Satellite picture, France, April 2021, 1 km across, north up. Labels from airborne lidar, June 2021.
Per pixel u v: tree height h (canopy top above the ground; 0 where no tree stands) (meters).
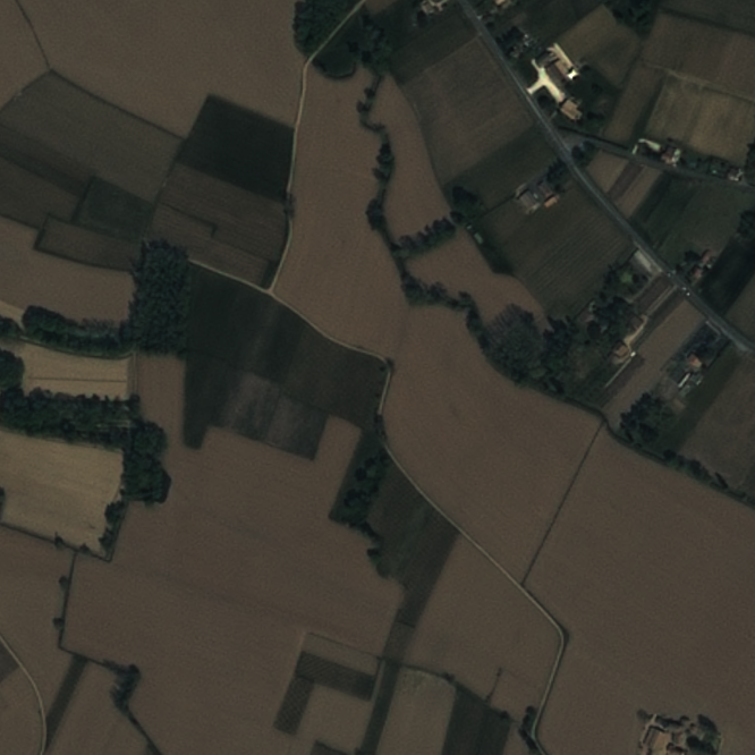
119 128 0
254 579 0
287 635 0
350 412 0
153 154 0
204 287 0
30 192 0
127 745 0
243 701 0
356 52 19
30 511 0
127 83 0
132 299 0
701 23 0
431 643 0
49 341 17
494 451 0
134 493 14
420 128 0
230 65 0
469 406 0
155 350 25
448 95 0
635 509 0
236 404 0
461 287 0
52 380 0
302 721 0
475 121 0
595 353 0
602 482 0
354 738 0
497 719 0
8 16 0
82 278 0
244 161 0
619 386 0
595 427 0
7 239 0
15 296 0
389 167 18
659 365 0
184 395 0
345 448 0
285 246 0
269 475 0
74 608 0
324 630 0
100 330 16
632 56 0
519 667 0
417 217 0
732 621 0
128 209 0
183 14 0
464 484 0
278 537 0
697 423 0
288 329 0
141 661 0
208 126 0
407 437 0
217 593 0
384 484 0
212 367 0
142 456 22
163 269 19
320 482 0
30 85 0
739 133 0
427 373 0
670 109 0
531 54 12
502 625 0
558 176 14
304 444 0
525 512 0
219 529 0
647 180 0
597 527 0
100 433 0
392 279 0
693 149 0
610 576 0
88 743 0
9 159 0
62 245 0
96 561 0
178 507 0
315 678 0
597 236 0
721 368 0
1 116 0
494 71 0
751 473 0
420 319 0
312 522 0
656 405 6
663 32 0
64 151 0
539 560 0
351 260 0
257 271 0
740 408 0
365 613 0
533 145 0
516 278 0
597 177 0
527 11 0
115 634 0
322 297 0
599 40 0
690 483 0
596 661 0
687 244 0
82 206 0
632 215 0
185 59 0
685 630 0
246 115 0
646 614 0
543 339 38
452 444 0
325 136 0
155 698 0
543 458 0
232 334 0
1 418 9
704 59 0
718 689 0
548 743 0
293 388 0
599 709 0
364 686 0
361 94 0
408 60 0
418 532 0
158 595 0
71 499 0
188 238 0
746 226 8
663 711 0
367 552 0
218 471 0
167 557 0
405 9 0
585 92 0
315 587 0
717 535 0
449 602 0
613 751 0
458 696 0
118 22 0
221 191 0
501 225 0
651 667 0
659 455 0
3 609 0
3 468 0
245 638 0
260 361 0
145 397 0
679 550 0
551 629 0
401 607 0
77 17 0
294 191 0
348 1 16
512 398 0
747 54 0
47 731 0
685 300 0
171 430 0
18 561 0
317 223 0
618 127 0
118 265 0
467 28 0
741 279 0
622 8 0
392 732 0
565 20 0
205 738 0
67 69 0
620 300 9
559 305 0
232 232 0
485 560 0
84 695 0
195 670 0
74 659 0
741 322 0
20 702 0
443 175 0
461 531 0
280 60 0
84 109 0
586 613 0
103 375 0
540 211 0
